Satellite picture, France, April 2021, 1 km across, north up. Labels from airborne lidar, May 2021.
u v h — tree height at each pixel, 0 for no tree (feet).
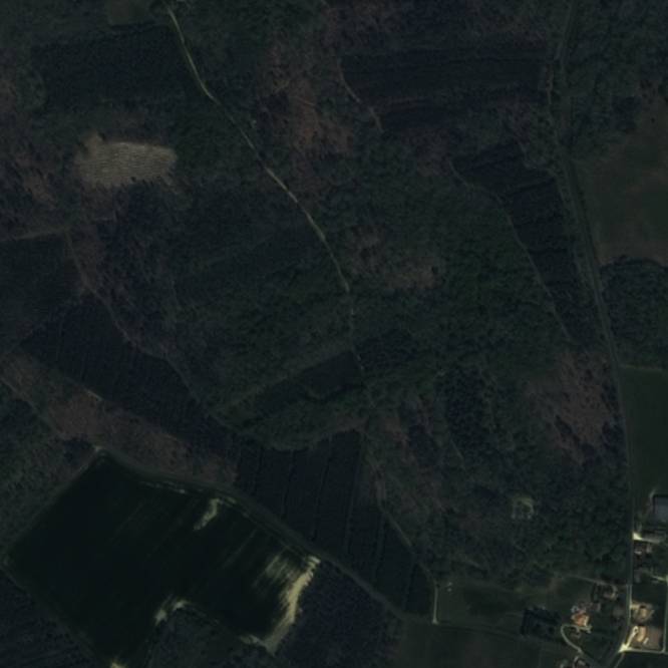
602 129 43
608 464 28
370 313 37
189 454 31
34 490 48
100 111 62
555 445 27
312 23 74
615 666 0
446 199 50
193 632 41
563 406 37
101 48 39
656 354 54
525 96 30
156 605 0
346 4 36
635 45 57
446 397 46
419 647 0
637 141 0
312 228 44
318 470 30
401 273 46
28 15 56
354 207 49
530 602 0
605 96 58
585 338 25
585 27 23
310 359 26
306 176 20
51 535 0
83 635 0
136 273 58
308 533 34
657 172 0
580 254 40
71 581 0
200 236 44
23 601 33
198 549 0
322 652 47
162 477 0
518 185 33
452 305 50
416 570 26
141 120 33
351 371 29
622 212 0
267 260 48
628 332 59
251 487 28
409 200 52
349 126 69
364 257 23
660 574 0
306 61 55
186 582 0
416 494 73
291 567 0
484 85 30
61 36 31
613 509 77
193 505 0
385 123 32
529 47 30
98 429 44
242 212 37
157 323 55
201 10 51
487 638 0
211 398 41
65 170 47
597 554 53
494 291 39
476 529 48
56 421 59
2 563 0
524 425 60
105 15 38
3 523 58
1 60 51
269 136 39
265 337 50
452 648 0
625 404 0
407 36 49
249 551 0
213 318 24
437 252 31
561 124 44
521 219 31
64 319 48
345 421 49
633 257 0
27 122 44
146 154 0
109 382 44
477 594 0
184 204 38
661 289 56
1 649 32
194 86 44
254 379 51
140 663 0
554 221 32
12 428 61
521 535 35
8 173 33
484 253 19
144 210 46
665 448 0
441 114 38
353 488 33
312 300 29
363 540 23
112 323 42
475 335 53
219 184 37
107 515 0
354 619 41
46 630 35
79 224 27
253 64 35
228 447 47
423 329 46
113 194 31
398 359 79
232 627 0
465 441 53
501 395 31
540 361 77
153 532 0
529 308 43
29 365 51
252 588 0
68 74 44
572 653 0
